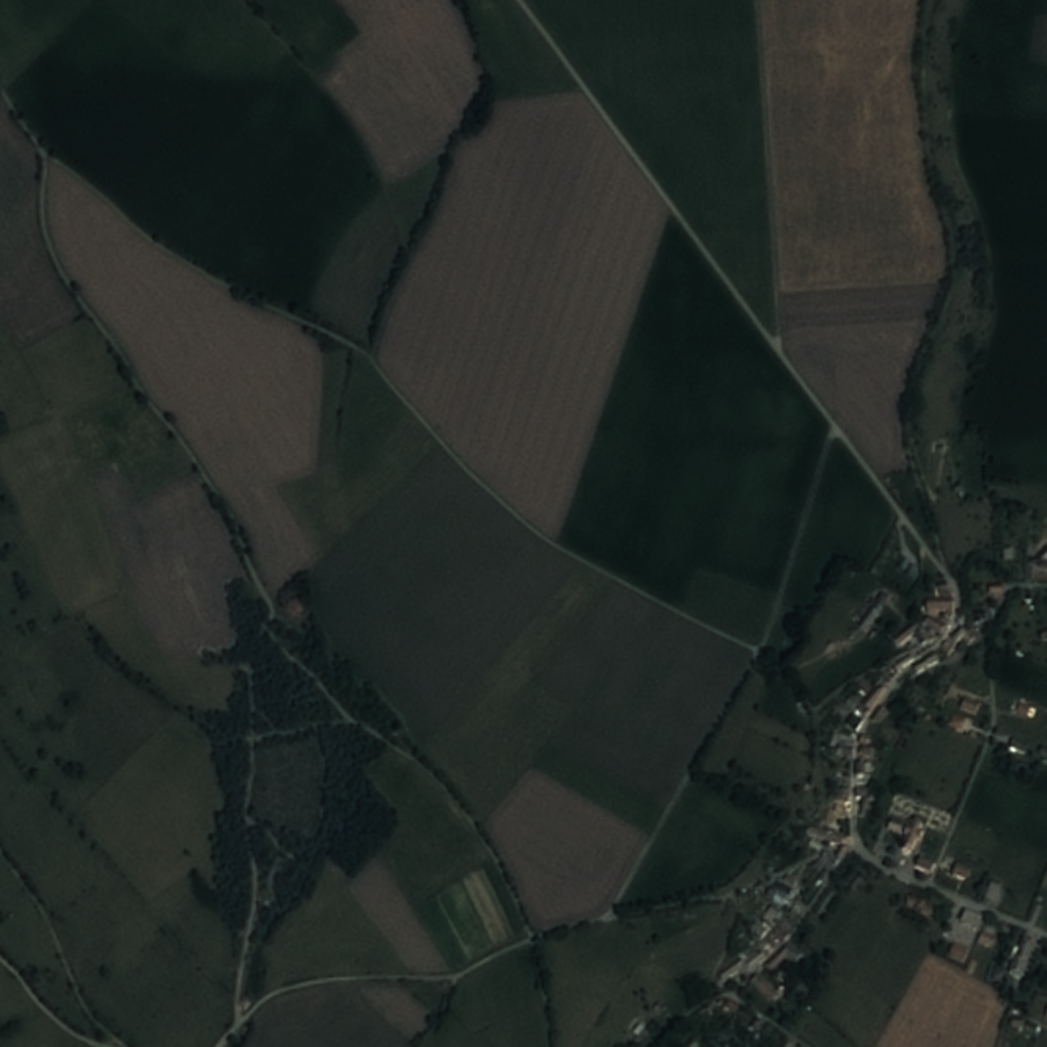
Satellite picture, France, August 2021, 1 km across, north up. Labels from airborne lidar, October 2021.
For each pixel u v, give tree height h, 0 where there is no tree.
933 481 0
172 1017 0
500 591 0
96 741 0
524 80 0
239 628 7
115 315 0
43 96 0
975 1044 0
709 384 0
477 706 0
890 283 0
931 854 0
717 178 0
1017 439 0
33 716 0
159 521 0
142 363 0
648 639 0
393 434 0
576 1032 0
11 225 0
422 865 0
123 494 0
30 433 0
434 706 0
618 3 0
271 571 0
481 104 18
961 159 0
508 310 0
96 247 0
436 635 0
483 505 0
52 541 0
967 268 6
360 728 9
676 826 0
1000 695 0
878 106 0
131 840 0
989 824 0
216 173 0
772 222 0
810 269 0
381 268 0
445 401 0
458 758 0
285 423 0
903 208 0
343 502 0
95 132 0
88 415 0
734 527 0
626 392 0
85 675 0
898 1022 0
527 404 0
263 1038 0
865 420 0
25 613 0
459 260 0
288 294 0
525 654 0
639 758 0
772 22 0
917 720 13
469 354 0
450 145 7
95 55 0
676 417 0
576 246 0
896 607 0
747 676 9
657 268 0
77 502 0
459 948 0
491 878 0
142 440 0
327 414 0
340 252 0
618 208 0
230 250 0
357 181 0
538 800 0
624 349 0
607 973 0
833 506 0
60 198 0
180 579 0
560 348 0
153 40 0
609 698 0
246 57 0
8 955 12
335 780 10
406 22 0
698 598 0
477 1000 0
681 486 0
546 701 0
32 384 0
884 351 0
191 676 0
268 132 0
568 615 0
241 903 8
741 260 0
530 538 0
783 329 0
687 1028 7
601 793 0
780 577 0
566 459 0
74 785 0
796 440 0
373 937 0
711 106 0
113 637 0
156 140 0
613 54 0
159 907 0
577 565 0
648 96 0
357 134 0
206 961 0
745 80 0
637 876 0
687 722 0
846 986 0
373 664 0
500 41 0
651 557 0
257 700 6
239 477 0
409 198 0
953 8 0
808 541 0
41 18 0
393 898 0
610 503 0
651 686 0
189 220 0
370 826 17
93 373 0
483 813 0
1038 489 0
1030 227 0
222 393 0
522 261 0
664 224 0
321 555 0
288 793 0
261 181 0
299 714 8
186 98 0
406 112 0
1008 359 0
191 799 0
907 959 0
